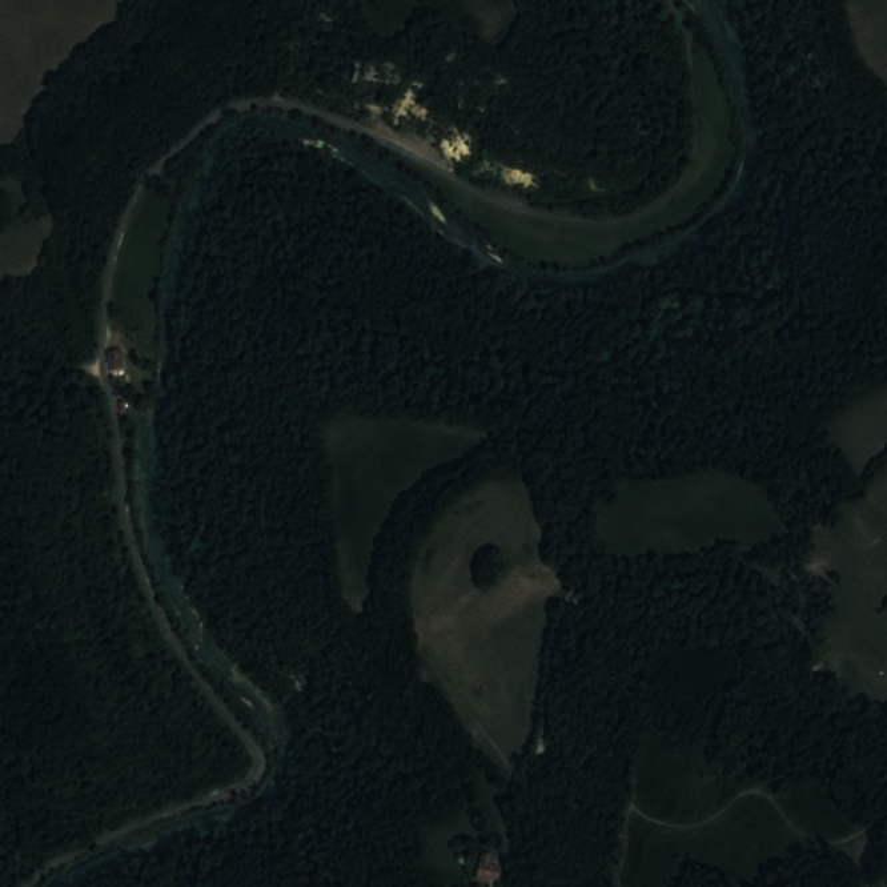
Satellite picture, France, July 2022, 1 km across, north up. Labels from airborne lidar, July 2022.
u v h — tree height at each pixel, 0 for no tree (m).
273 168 30
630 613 23
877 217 22
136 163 24
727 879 25
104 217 14
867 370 26
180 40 20
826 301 27
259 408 18
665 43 26
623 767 19
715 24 0
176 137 26
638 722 15
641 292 18
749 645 26
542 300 32
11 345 20
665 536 0
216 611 9
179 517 20
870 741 32
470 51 18
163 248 6
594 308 24
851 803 22
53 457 27
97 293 15
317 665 24
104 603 27
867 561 0
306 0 14
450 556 0
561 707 22
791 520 31
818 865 21
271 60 18
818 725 27
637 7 32
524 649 0
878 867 26
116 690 28
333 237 28
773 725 19
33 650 12
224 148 10
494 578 19
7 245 0
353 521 0
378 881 29
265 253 17
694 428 26
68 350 15
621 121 23
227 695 13
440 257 19
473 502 0
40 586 23
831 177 21
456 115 16
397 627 15
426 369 33
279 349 19
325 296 26
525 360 21
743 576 22
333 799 30
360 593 0
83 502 26
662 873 0
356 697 31
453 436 0
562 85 21
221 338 19
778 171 21
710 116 0
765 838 0
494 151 13
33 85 0
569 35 26
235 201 16
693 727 9
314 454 26
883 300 23
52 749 23
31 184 7
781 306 38
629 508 0
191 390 18
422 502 21
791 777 23
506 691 0
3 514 24
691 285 24
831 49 28
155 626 7
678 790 0
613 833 25
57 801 19
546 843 28
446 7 0
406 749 21
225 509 24
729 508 0
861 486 14
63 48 0
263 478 21
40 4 0
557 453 32
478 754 12
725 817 0
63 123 29
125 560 8
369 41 16
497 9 0
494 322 21
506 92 15
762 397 31
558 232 0
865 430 0
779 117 27
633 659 24
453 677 0
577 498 29
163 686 27
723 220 21
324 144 0
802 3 14
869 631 0
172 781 24
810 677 25
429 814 30
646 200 24
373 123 0
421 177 15
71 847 23
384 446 0
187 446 23
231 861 21
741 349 32
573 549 19
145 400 9
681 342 15
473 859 8
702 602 29
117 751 17
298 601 25
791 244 27
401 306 30
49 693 13
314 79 8
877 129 30
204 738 26
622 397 24
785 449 28
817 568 0
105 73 14
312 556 19
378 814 23
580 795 26
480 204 0
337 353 28
